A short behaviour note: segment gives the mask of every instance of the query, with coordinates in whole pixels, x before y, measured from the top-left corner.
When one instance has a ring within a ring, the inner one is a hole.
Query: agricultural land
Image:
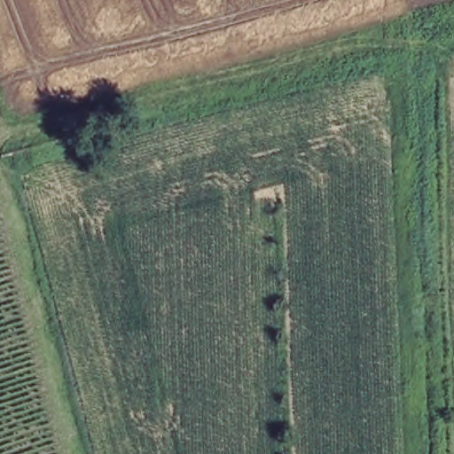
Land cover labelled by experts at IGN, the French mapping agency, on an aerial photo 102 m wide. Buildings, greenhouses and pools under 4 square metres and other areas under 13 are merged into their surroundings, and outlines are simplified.
[[[449,78],[450,202],[447,204],[450,216],[454,215],[454,73]]]
[[[397,273],[394,204],[397,202],[397,188],[392,177],[392,138],[388,133],[388,126],[392,121],[390,101],[387,99],[381,78],[372,76],[371,80],[298,90],[282,98],[266,99],[254,105],[236,108],[234,112],[218,112],[200,119],[186,119],[154,129],[145,135],[131,135],[122,138],[117,144],[112,144],[112,149],[106,149],[103,160],[96,165],[92,165],[87,156],[76,153],[76,149],[64,149],[64,156],[60,160],[51,161],[34,172],[25,174],[21,186],[25,207],[34,207],[35,215],[43,218],[43,222],[39,223],[43,234],[43,268],[51,298],[59,303],[59,314],[55,314],[53,319],[57,319],[59,326],[67,371],[71,376],[78,410],[85,424],[90,454],[406,454],[403,429],[404,419],[408,415],[408,399],[404,394],[406,380],[401,372],[399,293],[395,282]],[[273,234],[277,223],[277,211],[280,215],[286,216],[286,227],[282,229],[282,250],[287,252],[287,255],[282,261],[282,268],[289,266],[287,277],[277,268],[270,266],[273,255],[268,255],[271,243],[275,243]],[[289,339],[289,358],[286,358],[286,364],[277,362],[277,319],[284,321],[282,333]],[[284,422],[280,413],[284,392],[278,385],[284,374],[289,378],[286,394],[289,422]]]
[[[190,73],[197,69],[211,73],[216,66],[254,59],[261,53],[268,53],[275,48],[284,48],[291,44],[305,43],[314,37],[337,32],[340,28],[362,27],[371,21],[390,20],[399,16],[404,9],[419,9],[454,2],[454,0],[0,0],[0,89],[4,92],[5,103],[11,108],[12,113],[34,112],[35,99],[48,98],[51,92],[55,92],[62,99],[73,99],[74,96],[82,98],[87,92],[94,98],[117,98],[121,94],[119,90],[126,90],[140,83],[154,82],[168,78],[172,74]]]

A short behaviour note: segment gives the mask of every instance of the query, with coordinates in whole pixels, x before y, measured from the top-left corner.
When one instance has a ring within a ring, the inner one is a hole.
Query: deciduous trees
[[[117,144],[122,138],[131,135],[138,128],[138,117],[131,117],[129,113],[135,106],[135,99],[131,98],[131,94],[126,90],[119,90],[121,94],[117,98],[117,113],[101,110],[98,113],[90,113],[89,119],[85,115],[67,117],[66,126],[62,128],[64,138],[59,142],[64,149],[76,149],[76,153],[87,156],[92,165],[96,165],[103,160],[106,149],[112,149],[112,144]]]

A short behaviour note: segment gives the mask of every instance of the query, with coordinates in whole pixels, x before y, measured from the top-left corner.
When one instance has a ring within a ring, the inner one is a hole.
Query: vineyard
[[[44,378],[44,365],[43,362],[32,364],[27,348],[28,335],[21,321],[20,307],[14,301],[18,287],[12,282],[11,270],[0,248],[0,454],[57,454],[51,427],[48,424],[48,415],[43,408],[43,395],[37,385]]]

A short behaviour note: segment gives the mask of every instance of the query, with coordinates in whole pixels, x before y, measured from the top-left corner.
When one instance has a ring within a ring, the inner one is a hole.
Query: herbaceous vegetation
[[[282,268],[282,261],[287,255],[287,252],[282,250],[282,229],[286,227],[286,216],[280,215],[277,211],[277,223],[273,234],[275,243],[271,243],[268,255],[273,255],[270,266],[277,268],[287,277],[289,266]]]
[[[218,112],[234,112],[236,108],[254,105],[266,99],[282,98],[298,90],[371,80],[372,76],[381,78],[387,99],[390,101],[392,121],[388,126],[388,133],[392,138],[392,177],[397,188],[397,202],[394,204],[397,273],[395,282],[399,293],[401,372],[406,380],[404,394],[408,399],[408,415],[404,419],[403,429],[406,454],[454,454],[454,215],[450,216],[447,204],[450,202],[449,78],[454,73],[454,2],[419,9],[404,9],[399,16],[390,20],[371,21],[362,27],[340,28],[337,32],[314,37],[305,43],[291,44],[284,48],[275,48],[268,53],[261,53],[254,59],[216,66],[211,73],[197,69],[190,73],[172,74],[168,78],[154,82],[140,83],[126,90],[131,94],[131,98],[135,99],[135,106],[129,113],[131,117],[138,117],[138,128],[131,135],[145,135],[154,129],[186,119],[200,119]]]
[[[278,385],[284,392],[280,413],[284,422],[289,422],[286,394],[289,378],[284,374]]]
[[[12,113],[11,108],[5,103],[4,92],[0,89],[0,248],[11,270],[12,282],[18,287],[14,301],[20,307],[21,321],[28,335],[27,348],[32,364],[43,362],[44,365],[44,378],[37,385],[43,395],[43,408],[48,415],[48,424],[51,427],[57,454],[90,454],[85,424],[78,410],[71,376],[67,371],[59,326],[57,319],[53,319],[55,314],[59,314],[59,303],[51,298],[43,268],[43,234],[39,223],[43,222],[43,218],[35,215],[34,207],[25,207],[21,186],[25,174],[34,172],[51,161],[60,160],[64,156],[64,149],[59,142],[64,138],[62,128],[66,126],[67,117],[85,115],[89,119],[90,113],[98,113],[101,110],[117,113],[117,98],[94,98],[87,92],[82,98],[74,96],[73,99],[62,99],[55,92],[51,92],[48,98],[35,99],[34,112]]]
[[[282,333],[284,321],[277,319],[277,362],[286,364],[286,358],[289,358],[289,339]]]

